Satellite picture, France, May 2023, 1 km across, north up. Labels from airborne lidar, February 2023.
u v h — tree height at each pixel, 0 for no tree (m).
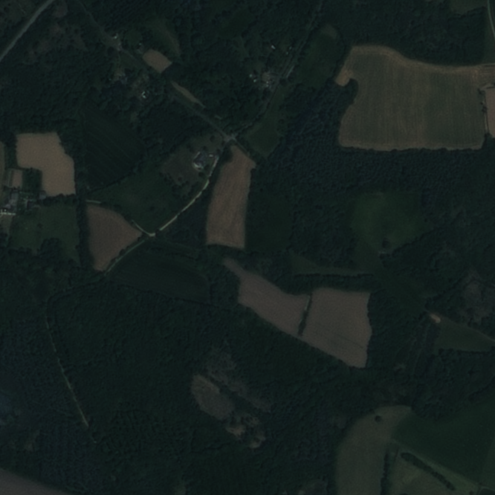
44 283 0
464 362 20
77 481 20
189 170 0
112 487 13
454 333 0
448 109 0
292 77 12
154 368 12
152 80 21
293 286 13
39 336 13
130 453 12
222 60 19
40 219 0
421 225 0
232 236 0
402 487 0
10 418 7
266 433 10
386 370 17
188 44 18
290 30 14
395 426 0
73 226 0
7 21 6
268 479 14
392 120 0
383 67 0
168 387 12
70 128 16
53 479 19
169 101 9
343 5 14
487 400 0
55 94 12
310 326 0
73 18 15
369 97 0
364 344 0
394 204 0
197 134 14
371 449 0
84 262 12
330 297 0
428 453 0
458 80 0
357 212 0
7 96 11
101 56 10
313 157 23
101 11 17
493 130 0
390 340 18
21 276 0
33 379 16
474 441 0
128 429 10
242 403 13
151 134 9
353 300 0
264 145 0
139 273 0
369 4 8
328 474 9
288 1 11
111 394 17
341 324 0
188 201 9
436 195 15
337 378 21
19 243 0
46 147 0
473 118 0
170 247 0
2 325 6
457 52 14
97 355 11
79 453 17
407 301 0
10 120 20
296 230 7
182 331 12
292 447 14
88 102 0
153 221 0
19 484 0
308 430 12
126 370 13
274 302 0
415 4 14
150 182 0
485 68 0
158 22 0
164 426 11
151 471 15
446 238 11
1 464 13
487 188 16
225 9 0
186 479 14
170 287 0
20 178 0
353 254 14
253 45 16
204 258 13
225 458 12
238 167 0
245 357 14
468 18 14
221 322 16
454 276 12
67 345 16
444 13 10
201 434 11
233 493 12
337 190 21
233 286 14
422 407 10
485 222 11
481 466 0
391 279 0
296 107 10
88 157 0
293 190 7
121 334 8
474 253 10
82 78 15
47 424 17
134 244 0
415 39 9
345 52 8
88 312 14
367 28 14
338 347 0
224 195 0
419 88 0
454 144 0
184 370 12
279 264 9
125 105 13
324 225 9
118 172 0
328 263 12
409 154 14
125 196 0
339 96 24
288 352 13
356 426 0
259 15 12
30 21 0
